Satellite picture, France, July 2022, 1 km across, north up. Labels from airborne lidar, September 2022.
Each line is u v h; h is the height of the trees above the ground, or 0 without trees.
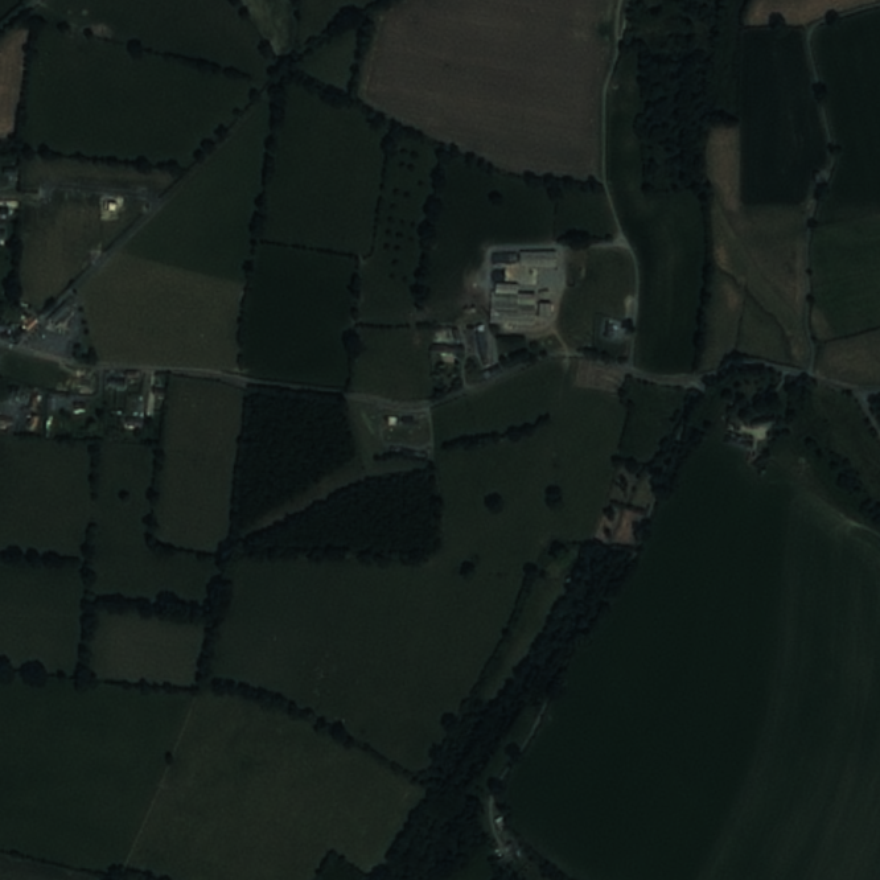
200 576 0
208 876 0
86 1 0
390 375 0
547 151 0
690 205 0
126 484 0
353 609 0
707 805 0
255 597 0
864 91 0
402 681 0
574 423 0
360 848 0
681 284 0
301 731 0
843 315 0
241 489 10
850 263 0
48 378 0
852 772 0
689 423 12
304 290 0
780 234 0
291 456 5
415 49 0
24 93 7
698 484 0
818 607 0
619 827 0
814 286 0
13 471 0
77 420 0
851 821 0
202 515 0
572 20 0
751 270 0
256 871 0
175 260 0
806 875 0
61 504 0
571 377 0
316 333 0
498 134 0
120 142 0
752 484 0
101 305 0
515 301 0
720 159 0
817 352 0
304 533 14
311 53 7
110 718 0
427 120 0
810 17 0
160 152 0
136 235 0
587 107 0
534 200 0
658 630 0
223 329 0
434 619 0
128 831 0
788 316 0
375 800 0
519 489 0
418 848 8
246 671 0
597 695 0
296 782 0
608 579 15
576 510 0
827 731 0
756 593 0
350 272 0
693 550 0
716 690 0
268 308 0
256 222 15
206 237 0
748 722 0
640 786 0
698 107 13
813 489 0
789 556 0
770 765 0
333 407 10
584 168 0
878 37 0
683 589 0
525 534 0
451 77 0
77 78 0
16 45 0
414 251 0
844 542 0
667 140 12
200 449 0
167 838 0
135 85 0
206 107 0
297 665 0
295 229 0
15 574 0
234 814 0
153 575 0
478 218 0
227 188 0
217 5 0
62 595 0
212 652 15
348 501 11
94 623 17
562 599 12
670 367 0
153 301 0
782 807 0
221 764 0
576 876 0
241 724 0
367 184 0
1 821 0
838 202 0
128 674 0
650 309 0
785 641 0
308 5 0
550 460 0
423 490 12
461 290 0
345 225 0
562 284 0
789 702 0
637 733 0
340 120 0
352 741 17
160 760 0
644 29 0
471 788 15
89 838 0
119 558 0
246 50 0
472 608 0
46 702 0
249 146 0
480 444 10
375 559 16
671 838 0
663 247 0
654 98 8
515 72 0
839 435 0
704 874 0
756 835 0
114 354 0
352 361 8
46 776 0
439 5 0
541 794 0
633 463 12
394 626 0
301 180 0
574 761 0
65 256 0
